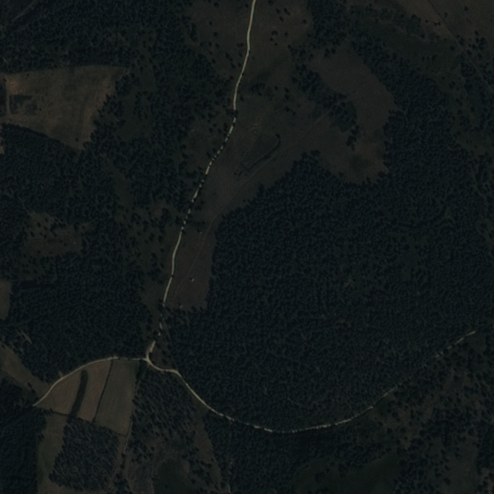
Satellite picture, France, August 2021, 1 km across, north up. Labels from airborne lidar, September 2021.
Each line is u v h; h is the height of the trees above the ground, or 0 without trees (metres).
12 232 18
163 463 0
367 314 14
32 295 20
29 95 0
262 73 0
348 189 17
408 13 0
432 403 0
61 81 0
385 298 15
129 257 7
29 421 21
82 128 0
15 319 15
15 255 17
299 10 0
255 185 0
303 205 14
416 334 19
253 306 16
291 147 0
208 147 0
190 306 0
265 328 17
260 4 0
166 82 12
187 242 0
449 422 7
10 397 16
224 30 0
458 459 7
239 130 0
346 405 12
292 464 16
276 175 0
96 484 19
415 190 17
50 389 0
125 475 0
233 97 0
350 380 10
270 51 0
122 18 18
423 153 14
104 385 0
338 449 12
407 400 12
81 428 16
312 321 19
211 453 0
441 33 0
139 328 14
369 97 0
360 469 17
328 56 7
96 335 20
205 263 0
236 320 14
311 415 14
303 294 15
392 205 15
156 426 14
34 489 12
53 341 22
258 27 0
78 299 20
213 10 0
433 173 16
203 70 7
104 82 0
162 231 12
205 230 0
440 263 16
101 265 16
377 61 8
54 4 14
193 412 15
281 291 17
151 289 0
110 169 0
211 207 0
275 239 16
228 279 19
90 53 16
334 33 10
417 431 0
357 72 0
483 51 7
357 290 10
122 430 0
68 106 0
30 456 23
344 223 15
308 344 15
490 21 0
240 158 0
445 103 16
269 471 18
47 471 0
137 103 8
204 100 8
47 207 17
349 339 21
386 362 17
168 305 0
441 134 16
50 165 12
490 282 19
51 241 0
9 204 22
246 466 19
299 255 12
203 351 11
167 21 18
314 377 15
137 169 10
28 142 18
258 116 0
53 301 21
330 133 0
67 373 14
